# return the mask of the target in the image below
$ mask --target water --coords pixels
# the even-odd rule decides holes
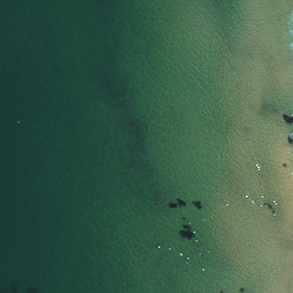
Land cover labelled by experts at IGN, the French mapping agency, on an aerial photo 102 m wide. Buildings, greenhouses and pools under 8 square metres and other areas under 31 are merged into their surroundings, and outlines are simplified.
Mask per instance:
[[[293,0],[0,0],[0,293],[293,293]]]

